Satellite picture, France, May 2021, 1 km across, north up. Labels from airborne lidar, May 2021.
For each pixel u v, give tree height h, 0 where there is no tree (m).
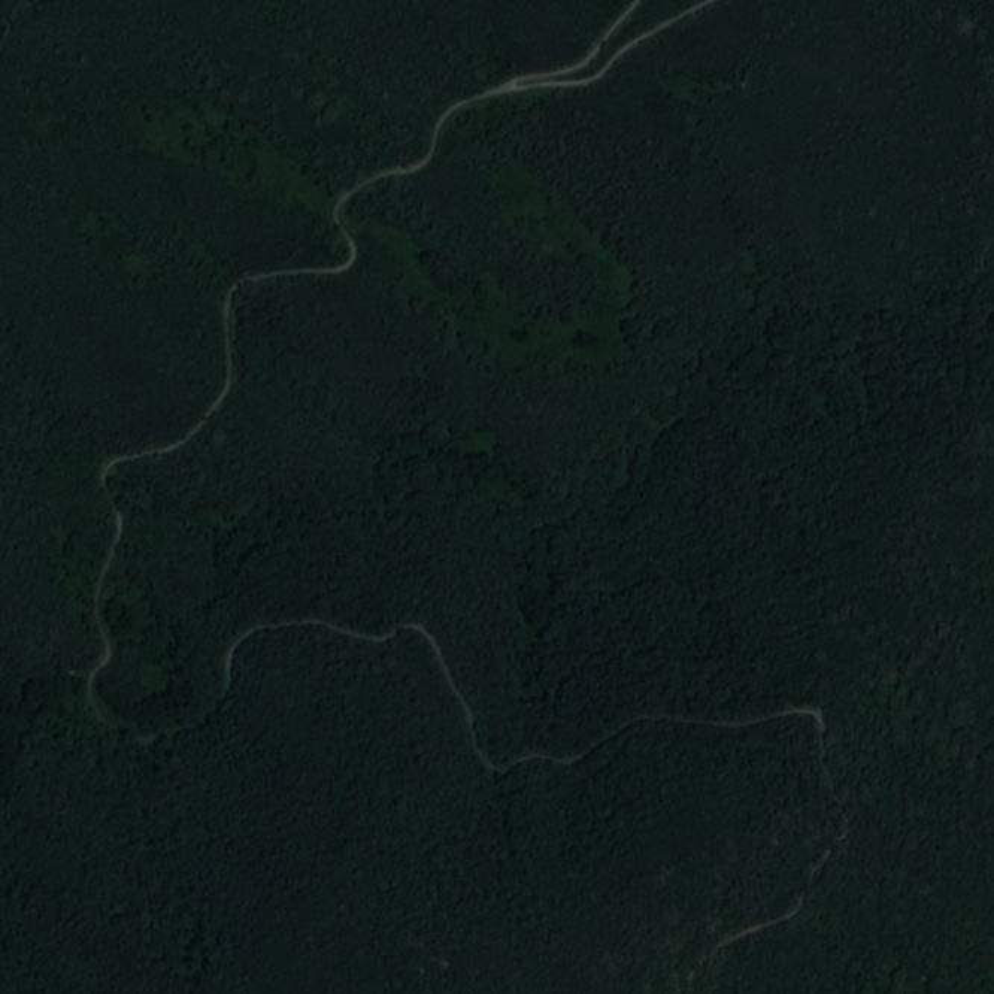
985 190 7
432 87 6
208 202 6
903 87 6
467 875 11
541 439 9
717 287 14
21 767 6
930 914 10
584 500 15
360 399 6
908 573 11
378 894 11
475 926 10
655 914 7
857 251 7
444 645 11
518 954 8
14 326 11
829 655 7
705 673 11
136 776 14
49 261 6
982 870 9
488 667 14
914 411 14
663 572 11
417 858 7
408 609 9
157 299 7
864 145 6
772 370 14
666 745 6
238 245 8
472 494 17
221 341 9
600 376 8
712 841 6
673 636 7
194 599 15
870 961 9
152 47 7
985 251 6
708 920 13
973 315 15
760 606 6
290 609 14
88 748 15
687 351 7
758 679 11
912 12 10
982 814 10
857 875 8
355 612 10
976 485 14
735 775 8
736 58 7
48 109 7
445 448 19
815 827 7
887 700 12
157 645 14
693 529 11
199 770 7
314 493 23
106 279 9
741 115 8
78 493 10
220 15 5
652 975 9
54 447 10
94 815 13
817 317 11
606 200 10
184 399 8
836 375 14
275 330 19
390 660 14
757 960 8
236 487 11
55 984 11
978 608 8
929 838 10
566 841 7
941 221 7
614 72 7
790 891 7
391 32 8
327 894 7
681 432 22
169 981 14
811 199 7
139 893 6
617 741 13
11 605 7
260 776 7
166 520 14
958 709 12
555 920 6
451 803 13
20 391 12
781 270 13
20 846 12
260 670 9
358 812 11
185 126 8
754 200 7
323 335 6
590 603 6
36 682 22
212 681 13
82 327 6
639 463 16
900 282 9
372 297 6
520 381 6
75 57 5
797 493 7
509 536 15
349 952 6
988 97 6
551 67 7
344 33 7
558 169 14
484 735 15
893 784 9
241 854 10
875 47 6
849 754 8
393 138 5
